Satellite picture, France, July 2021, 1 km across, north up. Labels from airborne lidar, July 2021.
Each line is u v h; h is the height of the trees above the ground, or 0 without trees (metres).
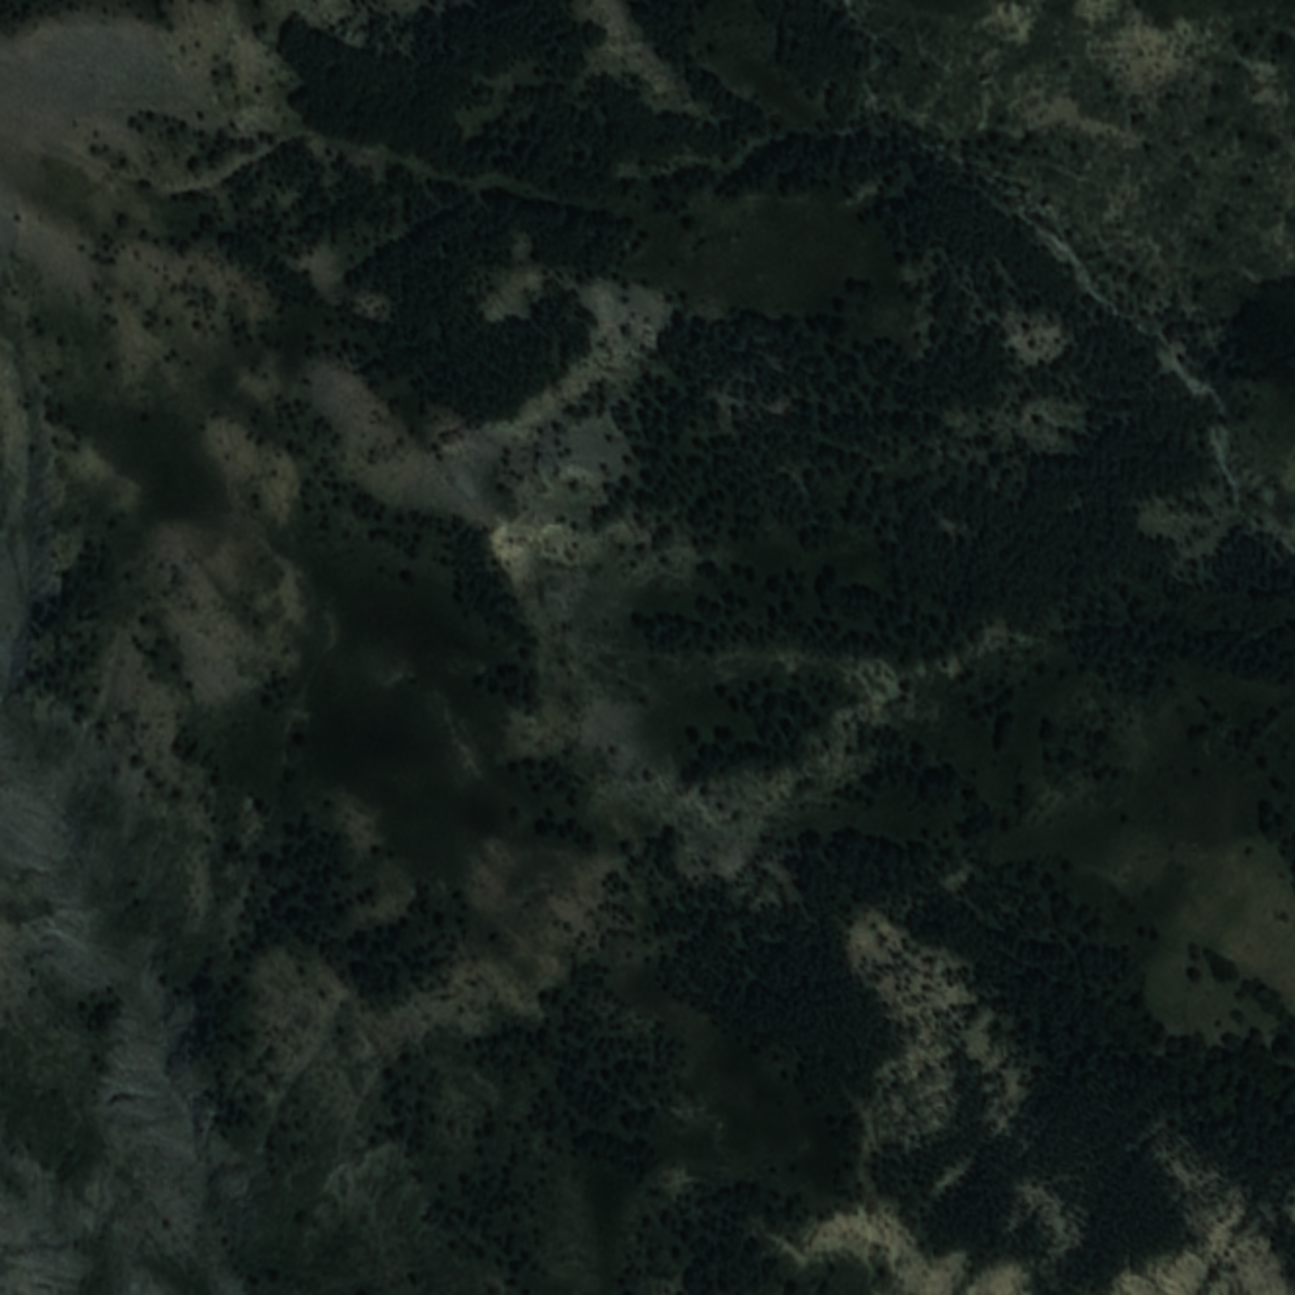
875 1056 13
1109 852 0
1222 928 0
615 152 20
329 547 0
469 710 0
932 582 27
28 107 0
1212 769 0
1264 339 25
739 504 16
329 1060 0
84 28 0
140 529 0
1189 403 16
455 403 6
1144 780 0
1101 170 0
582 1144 17
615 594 0
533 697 9
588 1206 0
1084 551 20
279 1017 0
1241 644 21
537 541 0
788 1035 18
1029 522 17
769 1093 0
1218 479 6
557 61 14
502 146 21
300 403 9
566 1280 0
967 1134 14
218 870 8
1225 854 0
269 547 0
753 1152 0
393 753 0
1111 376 17
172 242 7
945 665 7
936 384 18
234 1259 10
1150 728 0
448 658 0
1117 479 20
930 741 0
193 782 0
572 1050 9
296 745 9
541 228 22
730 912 16
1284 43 20
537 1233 7
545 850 0
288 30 19
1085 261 6
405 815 0
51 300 0
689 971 8
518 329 18
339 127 22
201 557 0
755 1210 13
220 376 0
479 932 0
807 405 21
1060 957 23
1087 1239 6
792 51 19
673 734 0
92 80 0
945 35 0
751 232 0
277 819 0
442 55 18
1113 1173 14
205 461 0
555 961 0
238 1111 10
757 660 0
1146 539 15
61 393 0
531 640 10
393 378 10
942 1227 13
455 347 15
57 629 7
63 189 0
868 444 8
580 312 12
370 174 7
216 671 0
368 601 0
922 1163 19
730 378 10
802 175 20
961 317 16
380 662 0
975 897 13
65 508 0
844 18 19
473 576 9
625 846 13
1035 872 15
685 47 17
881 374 19
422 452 0
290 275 14
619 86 16
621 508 15
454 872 0
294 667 0
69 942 0
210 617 0
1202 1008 0
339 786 0
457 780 0
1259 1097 27
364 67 16
